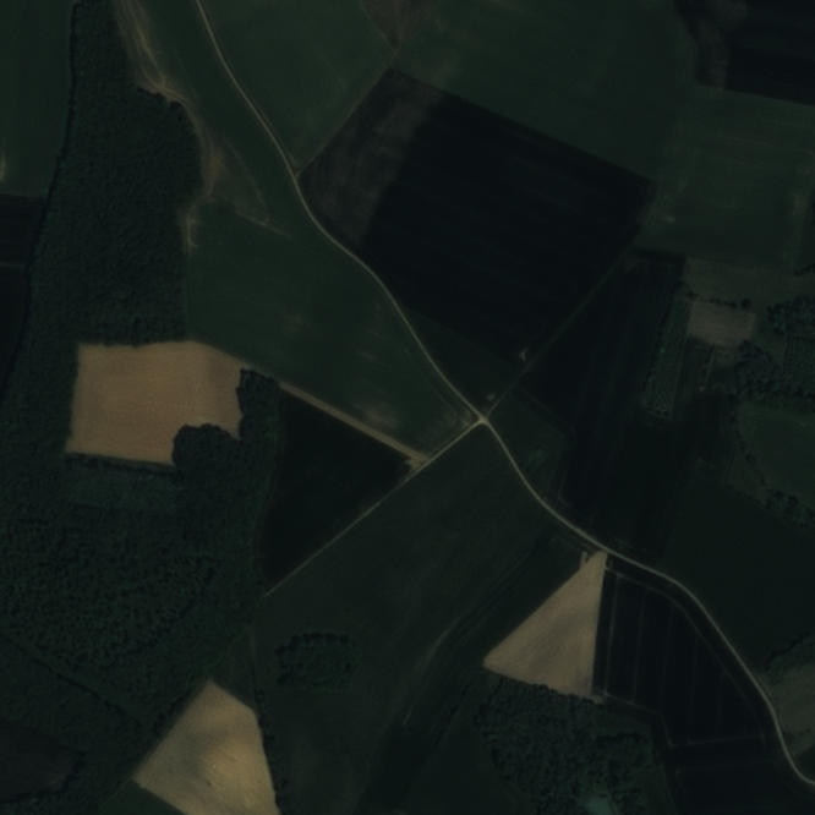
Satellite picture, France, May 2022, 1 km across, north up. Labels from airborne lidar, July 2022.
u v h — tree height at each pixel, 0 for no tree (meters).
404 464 0
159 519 26
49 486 22
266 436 18
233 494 21
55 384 21
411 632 0
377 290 0
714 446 0
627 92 0
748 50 0
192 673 19
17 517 14
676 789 0
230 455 22
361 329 0
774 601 0
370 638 0
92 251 23
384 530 0
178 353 0
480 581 0
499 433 0
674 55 0
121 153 19
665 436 0
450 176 0
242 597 23
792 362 6
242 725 0
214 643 19
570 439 0
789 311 14
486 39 0
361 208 0
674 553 0
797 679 0
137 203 25
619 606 0
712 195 0
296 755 0
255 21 0
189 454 25
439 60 0
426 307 0
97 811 22
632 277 0
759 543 0
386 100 0
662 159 0
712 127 0
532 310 0
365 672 0
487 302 0
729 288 0
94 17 18
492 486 0
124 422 0
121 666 15
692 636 0
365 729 0
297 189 0
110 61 21
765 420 0
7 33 0
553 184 0
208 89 0
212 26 0
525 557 0
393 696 0
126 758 23
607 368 0
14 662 25
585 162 0
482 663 0
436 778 0
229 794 0
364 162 0
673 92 0
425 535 0
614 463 0
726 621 0
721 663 0
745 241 0
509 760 19
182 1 0
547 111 0
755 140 0
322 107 0
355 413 0
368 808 0
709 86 0
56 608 7
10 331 0
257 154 0
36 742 0
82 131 18
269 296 0
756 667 0
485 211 0
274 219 0
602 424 0
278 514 0
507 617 0
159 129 23
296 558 0
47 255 20
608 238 0
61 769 0
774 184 0
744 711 0
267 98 0
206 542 19
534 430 0
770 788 0
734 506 0
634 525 0
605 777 18
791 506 14
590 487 0
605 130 0
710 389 0
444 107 0
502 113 0
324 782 0
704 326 0
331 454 0
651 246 0
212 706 0
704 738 0
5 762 0
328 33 0
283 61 0
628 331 0
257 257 0
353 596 0
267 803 0
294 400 0
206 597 17
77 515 23
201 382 0
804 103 0
